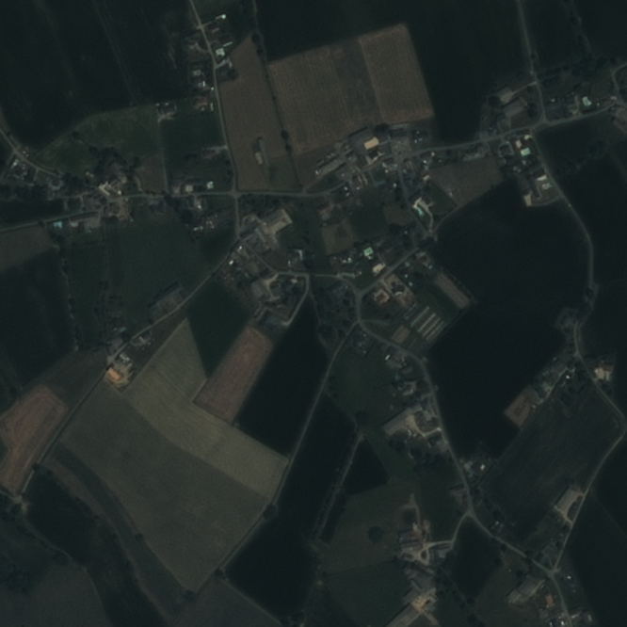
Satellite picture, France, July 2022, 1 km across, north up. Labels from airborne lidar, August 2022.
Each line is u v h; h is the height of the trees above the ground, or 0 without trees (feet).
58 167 0
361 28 0
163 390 0
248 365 0
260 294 0
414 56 0
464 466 0
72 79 0
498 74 0
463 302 0
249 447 0
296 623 31
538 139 0
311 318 0
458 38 0
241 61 0
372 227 0
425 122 0
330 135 0
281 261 0
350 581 0
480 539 0
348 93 0
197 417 0
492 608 0
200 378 0
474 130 0
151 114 0
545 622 0
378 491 0
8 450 0
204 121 0
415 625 0
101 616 0
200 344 0
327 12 0
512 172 26
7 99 0
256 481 0
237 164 0
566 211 0
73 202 35
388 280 0
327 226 0
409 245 63
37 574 0
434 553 0
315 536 25
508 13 0
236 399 0
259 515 0
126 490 0
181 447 0
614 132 0
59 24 0
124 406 0
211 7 0
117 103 0
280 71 0
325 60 0
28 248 0
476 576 0
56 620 0
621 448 0
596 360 26
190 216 61
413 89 0
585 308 70
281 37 0
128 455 0
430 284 0
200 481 0
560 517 0
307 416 0
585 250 0
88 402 0
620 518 0
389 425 0
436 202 0
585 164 32
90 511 43
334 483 21
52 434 0
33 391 0
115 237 0
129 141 0
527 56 0
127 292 0
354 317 27
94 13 0
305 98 0
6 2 0
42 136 0
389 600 0
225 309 0
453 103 0
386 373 0
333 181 0
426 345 0
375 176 0
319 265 0
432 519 0
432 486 0
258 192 0
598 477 0
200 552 0
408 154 0
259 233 0
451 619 0
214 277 22
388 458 0
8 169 41
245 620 0
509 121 0
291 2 0
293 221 0
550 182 0
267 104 0
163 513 0
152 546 0
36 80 0
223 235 0
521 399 0
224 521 0
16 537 0
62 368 0
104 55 0
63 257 42
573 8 0
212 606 0
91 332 0
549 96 0
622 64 0
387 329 0
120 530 0
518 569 0
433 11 0
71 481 0
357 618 0
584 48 39
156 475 0
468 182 0
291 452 0
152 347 0
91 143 0
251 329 0
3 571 97
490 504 32
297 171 0
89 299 0
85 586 0
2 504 47
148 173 0
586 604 0
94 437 0
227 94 0
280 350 0
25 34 0
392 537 0
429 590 0
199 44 20
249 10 54
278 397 0
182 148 0
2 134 0
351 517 0
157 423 0
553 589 0
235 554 0
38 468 44
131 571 30
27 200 62
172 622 0
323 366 0
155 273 0
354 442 24
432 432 0
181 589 0
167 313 26
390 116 0
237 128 0
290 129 0
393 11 0
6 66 0
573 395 48
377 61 0
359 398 0
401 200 34
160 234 0
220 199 0
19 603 0
